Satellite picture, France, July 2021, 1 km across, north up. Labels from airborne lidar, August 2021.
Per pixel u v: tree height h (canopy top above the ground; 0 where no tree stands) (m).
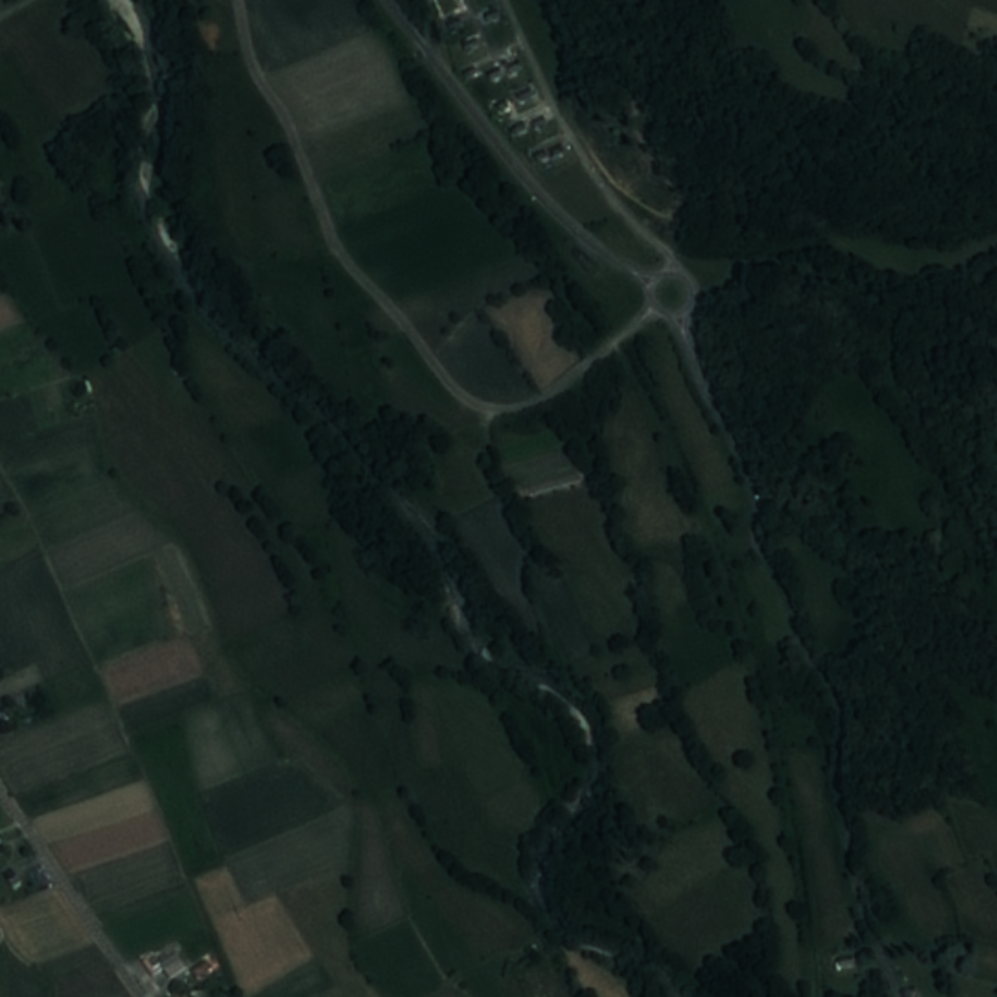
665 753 0
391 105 0
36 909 0
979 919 0
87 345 0
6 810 0
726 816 18
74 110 0
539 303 0
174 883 0
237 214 0
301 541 19
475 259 0
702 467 0
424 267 0
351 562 0
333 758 0
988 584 8
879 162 27
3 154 0
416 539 18
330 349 0
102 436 0
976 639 20
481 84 0
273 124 0
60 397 0
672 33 26
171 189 23
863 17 0
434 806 0
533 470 0
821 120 21
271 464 0
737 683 0
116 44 14
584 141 0
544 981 0
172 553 0
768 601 0
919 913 0
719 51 17
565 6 32
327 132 0
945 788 22
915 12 0
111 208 14
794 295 25
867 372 26
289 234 0
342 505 14
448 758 0
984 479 24
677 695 22
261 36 0
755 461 16
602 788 16
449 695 0
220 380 0
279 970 0
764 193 11
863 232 14
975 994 0
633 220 0
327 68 0
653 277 0
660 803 0
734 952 20
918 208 17
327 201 0
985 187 22
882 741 20
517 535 18
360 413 23
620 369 8
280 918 0
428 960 0
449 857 17
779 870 0
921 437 24
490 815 0
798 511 22
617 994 0
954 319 18
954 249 12
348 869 0
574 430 10
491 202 21
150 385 0
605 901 28
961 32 0
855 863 20
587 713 12
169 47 30
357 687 0
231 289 28
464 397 0
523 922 0
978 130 18
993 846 0
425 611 24
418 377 0
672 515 0
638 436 0
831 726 9
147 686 0
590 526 0
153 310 10
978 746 0
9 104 0
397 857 0
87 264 0
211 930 0
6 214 20
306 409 20
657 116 23
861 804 23
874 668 28
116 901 0
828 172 28
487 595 28
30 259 0
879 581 28
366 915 0
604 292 0
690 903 0
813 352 23
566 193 0
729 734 0
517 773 0
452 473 0
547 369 0
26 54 0
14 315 0
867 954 16
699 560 11
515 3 0
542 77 0
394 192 0
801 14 0
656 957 17
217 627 0
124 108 11
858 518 17
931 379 6
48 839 0
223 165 0
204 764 0
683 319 0
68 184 25
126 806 0
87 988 0
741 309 14
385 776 0
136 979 0
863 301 26
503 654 16
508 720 14
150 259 6
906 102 27
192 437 0
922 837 0
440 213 0
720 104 24
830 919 0
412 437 26
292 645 0
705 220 24
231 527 0
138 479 0
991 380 21
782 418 22
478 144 14
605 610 0
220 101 0
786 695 5
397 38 8
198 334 0
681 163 25
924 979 0
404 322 0
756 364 23
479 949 0
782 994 19
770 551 24
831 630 0
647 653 10
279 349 33
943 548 11
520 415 6
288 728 0
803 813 0
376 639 0
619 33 32
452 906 0
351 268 0
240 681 0
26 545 0
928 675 22
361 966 7
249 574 0
